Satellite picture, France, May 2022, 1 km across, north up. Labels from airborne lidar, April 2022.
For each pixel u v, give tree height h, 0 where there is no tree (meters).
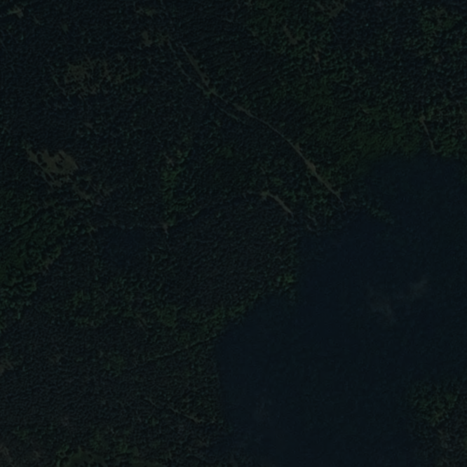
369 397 19
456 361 23
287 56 13
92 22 23
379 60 23
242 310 19
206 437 21
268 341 13
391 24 21
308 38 19
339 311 18
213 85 14
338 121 13
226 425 8
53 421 18
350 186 14
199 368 17
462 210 14
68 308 19
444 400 25
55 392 20
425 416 22
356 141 16
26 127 22
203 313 18
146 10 8
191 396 6
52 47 19
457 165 14
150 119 21
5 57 24
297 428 23
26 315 19
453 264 24
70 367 19
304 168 19
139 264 16
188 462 15
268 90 15
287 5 7
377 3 32
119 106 25
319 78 15
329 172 14
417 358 24
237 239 26
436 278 23
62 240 12
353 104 12
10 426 18
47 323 21
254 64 14
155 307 20
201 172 12
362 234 22
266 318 18
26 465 19
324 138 15
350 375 24
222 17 13
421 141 14
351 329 26
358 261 22
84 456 0
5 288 23
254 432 22
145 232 17
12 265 9
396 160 13
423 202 16
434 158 16
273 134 13
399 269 13
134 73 7
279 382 29
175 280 17
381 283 19
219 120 13
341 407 28
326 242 22
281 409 20
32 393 21
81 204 11
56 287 21
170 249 20
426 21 24
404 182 14
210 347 11
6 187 12
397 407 24
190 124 22
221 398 10
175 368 17
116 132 30
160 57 21
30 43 24
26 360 25
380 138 12
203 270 23
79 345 22
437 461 22
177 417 16
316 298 19
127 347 14
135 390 15
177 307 19
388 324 21
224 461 17
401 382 23
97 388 22
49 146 21
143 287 20
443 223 16
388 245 30
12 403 24
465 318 18
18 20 21
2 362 23
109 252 15
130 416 17
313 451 19
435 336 22
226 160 14
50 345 23
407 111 16
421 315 21
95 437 19
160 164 24
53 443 18
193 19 14
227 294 23
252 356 18
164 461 8
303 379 9
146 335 10
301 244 24
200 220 19
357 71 19
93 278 18
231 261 23
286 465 22
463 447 26
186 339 14
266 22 9
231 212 20
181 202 19
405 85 18
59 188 9
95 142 24
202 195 20
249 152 20
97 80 8
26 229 15
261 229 24
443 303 22
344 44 21
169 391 15
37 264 7
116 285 18
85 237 25
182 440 19
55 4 21
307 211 21
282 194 20
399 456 21
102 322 18
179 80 23
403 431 28
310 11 10
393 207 19
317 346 23
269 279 26
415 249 23
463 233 12
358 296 19
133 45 20
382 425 19
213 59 16
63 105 29
